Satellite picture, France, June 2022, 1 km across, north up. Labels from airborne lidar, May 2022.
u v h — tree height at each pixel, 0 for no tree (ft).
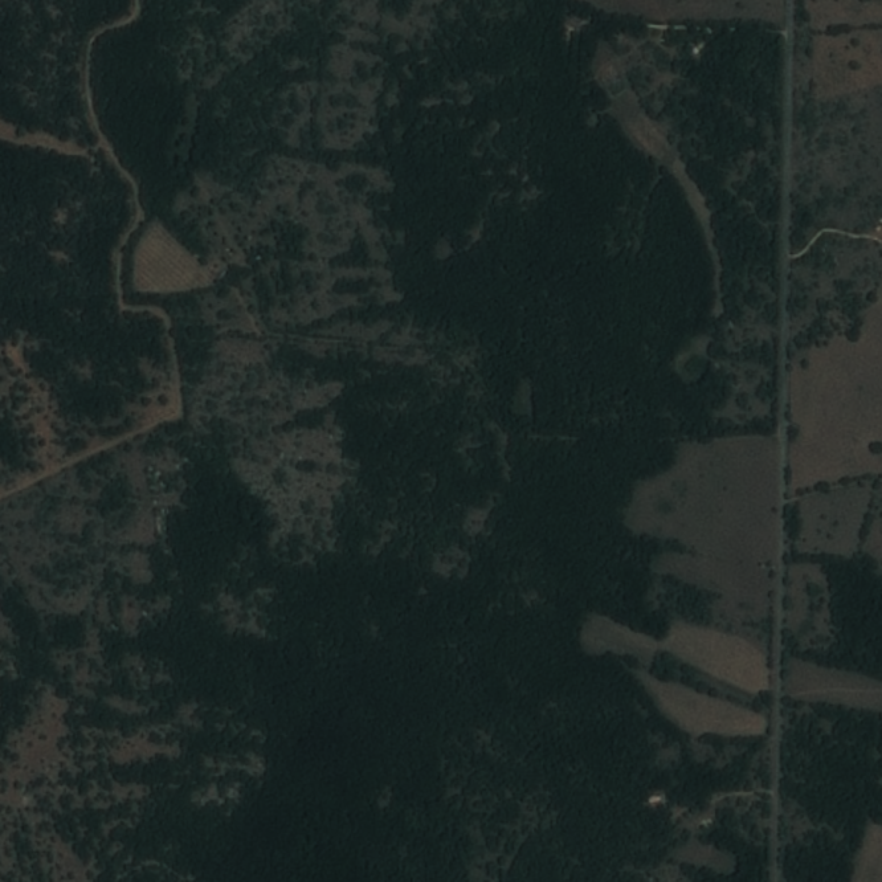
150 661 29
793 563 23
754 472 0
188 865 28
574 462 34
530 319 40
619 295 40
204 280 0
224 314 26
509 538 26
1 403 23
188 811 25
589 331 36
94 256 24
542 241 27
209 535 25
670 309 31
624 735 27
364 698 44
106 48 27
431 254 42
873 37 0
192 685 26
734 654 0
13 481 0
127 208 30
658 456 35
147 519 0
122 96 28
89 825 31
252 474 0
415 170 33
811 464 0
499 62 22
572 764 25
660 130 0
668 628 29
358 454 30
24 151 33
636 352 28
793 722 29
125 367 18
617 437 44
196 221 23
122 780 31
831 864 39
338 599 30
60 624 22
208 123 32
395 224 34
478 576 21
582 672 26
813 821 31
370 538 25
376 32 24
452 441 27
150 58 24
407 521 24
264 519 28
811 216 29
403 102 26
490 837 31
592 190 31
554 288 39
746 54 24
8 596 25
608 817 32
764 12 0
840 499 0
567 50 28
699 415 38
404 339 0
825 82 0
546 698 27
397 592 35
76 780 25
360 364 24
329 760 45
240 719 23
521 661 24
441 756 34
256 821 37
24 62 21
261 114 20
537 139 29
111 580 32
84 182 27
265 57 28
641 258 31
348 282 23
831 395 0
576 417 34
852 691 0
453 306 39
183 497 26
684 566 0
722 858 0
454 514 27
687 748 25
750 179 25
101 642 27
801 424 0
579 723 32
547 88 33
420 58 31
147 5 26
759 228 25
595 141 35
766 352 28
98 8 29
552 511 42
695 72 33
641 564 25
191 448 22
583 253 37
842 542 0
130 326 26
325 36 20
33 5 18
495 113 34
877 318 0
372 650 29
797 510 21
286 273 27
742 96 28
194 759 24
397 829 37
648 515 0
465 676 38
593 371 39
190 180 31
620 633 0
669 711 0
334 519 23
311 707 36
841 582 44
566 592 28
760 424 32
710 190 24
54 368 23
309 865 24
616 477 36
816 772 27
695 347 0
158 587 23
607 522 32
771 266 27
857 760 31
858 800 38
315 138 24
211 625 26
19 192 53
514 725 30
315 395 0
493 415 31
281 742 33
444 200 28
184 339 22
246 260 26
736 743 26
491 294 38
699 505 0
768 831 28
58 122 26
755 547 0
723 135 27
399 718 43
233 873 34
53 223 18
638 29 31
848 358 0
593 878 30
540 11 25
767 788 27
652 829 32
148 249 0
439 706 42
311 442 0
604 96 40
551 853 27
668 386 36
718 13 0
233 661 34
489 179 28
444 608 38
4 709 27
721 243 37
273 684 26
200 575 29
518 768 30
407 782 39
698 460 0
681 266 29
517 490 33
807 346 20
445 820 36
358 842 40
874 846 0
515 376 56
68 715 28
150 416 0
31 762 0
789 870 34
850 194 28
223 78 19
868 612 32
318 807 33
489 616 20
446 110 34
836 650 29
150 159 35
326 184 0
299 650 27
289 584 26
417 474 27
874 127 0
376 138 28
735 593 0
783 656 23
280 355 18
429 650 35
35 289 20
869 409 0
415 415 17
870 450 25
